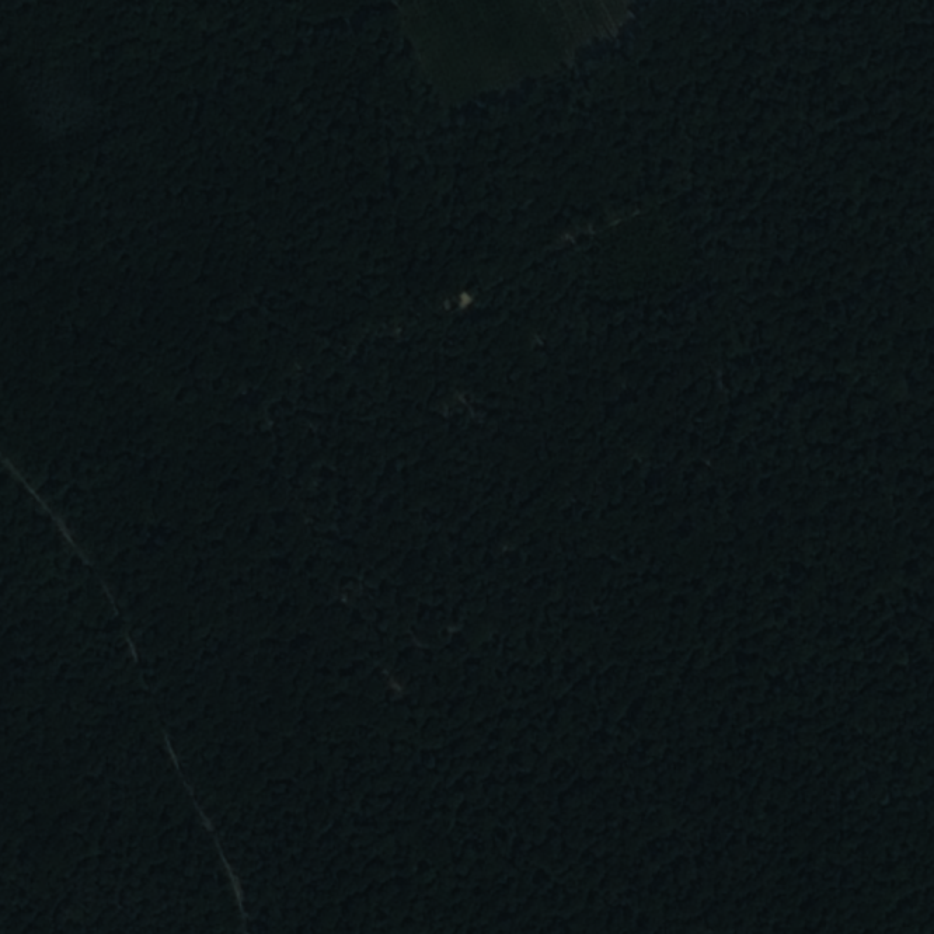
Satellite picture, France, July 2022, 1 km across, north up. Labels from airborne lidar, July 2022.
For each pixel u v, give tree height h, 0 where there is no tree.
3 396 24
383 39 24
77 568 23
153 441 25
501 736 26
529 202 25
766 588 22
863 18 21
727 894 24
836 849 22
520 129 27
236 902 10
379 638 28
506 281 24
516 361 26
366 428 22
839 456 21
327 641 26
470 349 27
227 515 29
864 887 25
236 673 21
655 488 27
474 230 21
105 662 20
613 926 22
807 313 19
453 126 25
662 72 24
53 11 22
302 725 27
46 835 26
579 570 27
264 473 24
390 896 25
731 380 22
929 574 27
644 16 24
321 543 28
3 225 24
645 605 29
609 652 23
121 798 24
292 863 22
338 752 23
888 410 23
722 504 26
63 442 22
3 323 30
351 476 24
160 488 30
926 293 26
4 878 24
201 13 21
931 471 25
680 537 29
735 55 23
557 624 24
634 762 20
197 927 15
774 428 22
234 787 28
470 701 19
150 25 23
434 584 21
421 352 24
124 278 25
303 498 25
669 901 26
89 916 21
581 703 24
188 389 30
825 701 22
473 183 24
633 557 27
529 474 27
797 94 24
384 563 25
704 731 22
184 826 23
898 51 21
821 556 25
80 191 22
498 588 28
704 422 24
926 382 27
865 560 24
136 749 28
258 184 25
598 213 18
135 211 26
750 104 18
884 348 22
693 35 18
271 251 22
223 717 25
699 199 26
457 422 21
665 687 21
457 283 22
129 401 25
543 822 22
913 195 18
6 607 23
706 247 21
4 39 20
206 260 28
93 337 28
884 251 25
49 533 21
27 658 22
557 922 14
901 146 23
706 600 27
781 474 22
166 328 29
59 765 26
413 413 26
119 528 25
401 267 17
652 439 25
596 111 20
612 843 25
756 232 25
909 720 27
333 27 23
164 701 15
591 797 25
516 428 25
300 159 23
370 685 29
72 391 27
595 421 21
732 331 7
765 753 24
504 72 0
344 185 25
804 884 24
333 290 25
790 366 22
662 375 25
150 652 24
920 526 23
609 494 27
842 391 26
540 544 26
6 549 13
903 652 25
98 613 18
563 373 24
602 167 24
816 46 23
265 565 24
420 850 25
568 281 18
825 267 26
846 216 25
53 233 25
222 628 23
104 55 20
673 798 22
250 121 24
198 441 27
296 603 25
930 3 20
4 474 23
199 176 22
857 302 25
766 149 18
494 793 28
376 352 22
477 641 28
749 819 24
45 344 25
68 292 29
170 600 24
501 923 24
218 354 27
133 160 27
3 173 16
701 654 23
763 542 26
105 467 27
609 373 24
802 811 14
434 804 23
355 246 27
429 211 25
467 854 24
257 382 24
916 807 29
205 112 23
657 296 6
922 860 20
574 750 25
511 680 17
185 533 26
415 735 24
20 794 27
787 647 19
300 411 20
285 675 29
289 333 25
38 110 16
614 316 20
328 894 26
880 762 23
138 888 22
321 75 23
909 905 23
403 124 26
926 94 23
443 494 25
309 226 25
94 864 22
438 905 24
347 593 29
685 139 23
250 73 23
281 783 25
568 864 21
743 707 22
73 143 18
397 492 23
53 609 22
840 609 22
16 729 22
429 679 27
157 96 26
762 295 24
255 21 19
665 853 26
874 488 28
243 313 26
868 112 23
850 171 26
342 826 25
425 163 24
